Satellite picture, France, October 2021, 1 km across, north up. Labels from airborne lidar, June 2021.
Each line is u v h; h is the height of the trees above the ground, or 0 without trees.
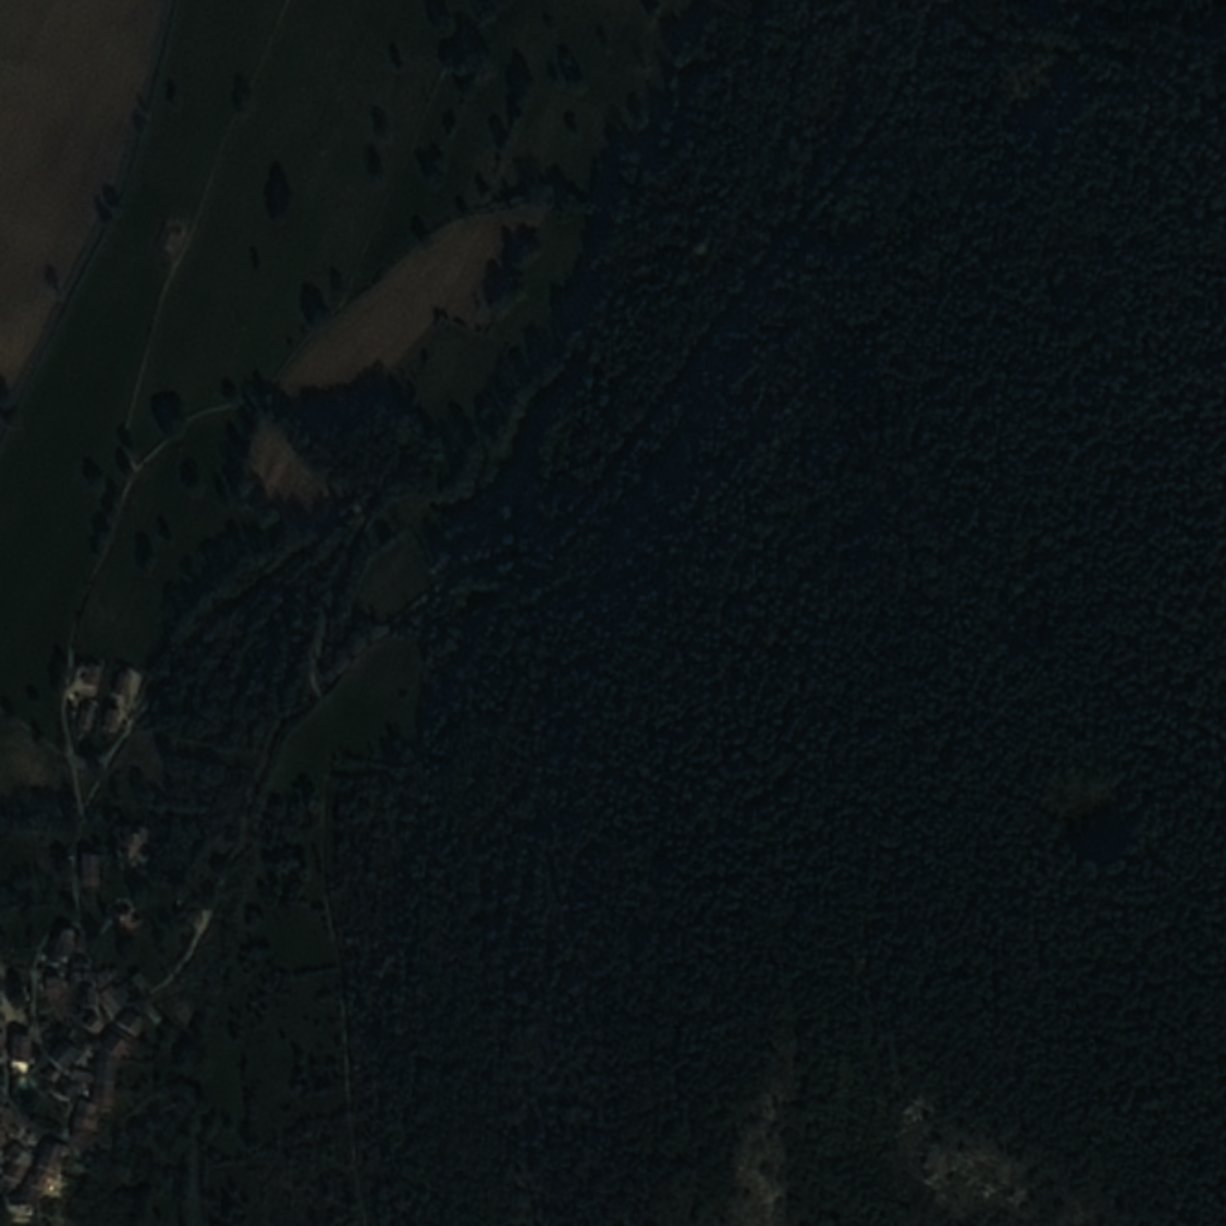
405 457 11
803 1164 14
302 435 20
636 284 17
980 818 18
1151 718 21
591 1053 6
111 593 0
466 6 0
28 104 0
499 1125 8
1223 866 19
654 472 9
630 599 14
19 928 0
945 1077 11
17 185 0
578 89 11
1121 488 22
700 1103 14
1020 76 16
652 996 11
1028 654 30
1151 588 22
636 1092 15
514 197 10
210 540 0
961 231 23
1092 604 25
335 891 6
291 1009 0
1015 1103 13
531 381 17
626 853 19
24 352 0
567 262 0
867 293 25
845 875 23
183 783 12
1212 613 20
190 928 5
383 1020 15
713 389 14
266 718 6
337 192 0
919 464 27
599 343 23
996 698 21
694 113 20
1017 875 20
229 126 0
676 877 23
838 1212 22
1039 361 17
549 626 19
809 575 11
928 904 22
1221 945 19
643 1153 10
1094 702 25
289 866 15
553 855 7
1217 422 20
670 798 23
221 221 0
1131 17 26
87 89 0
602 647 15
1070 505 24
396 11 0
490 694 17
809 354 21
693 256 22
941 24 14
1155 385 16
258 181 0
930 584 29
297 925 0
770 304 19
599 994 12
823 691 22
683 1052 16
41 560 0
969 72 18
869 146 15
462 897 11
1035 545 23
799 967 20
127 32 0
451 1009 12
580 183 0
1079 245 13
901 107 15
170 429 18
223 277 0
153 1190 17
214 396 0
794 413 12
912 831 18
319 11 0
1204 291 14
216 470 0
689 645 21
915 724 20
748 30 13
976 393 17
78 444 0
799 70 9
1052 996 19
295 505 0
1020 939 18
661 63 0
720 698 21
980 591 24
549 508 21
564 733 15
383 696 0
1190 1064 20
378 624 10
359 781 6
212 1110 5
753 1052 9
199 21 0
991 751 21
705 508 20
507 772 12
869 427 29
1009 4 21
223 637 12
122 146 0
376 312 0
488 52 14
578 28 0
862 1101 12
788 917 16
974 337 21
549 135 0
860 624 24
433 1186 10
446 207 0
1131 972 17
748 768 26
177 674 16
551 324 0
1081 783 14
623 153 19
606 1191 12
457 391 0
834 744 26
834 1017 14
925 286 24
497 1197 12
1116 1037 24
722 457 14
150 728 16
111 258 0
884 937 16
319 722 0
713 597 18
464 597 10
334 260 0
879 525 32
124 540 0
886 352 24
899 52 18
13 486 0
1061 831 16
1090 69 24
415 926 8
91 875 0
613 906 15
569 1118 8
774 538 15
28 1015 6
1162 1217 17
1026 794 21
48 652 0
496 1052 8
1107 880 22
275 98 0
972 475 26
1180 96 12
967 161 24
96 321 0
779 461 14
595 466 17
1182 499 19
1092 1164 14
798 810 23
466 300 0
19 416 13
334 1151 6
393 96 0
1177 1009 21
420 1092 12
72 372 0
